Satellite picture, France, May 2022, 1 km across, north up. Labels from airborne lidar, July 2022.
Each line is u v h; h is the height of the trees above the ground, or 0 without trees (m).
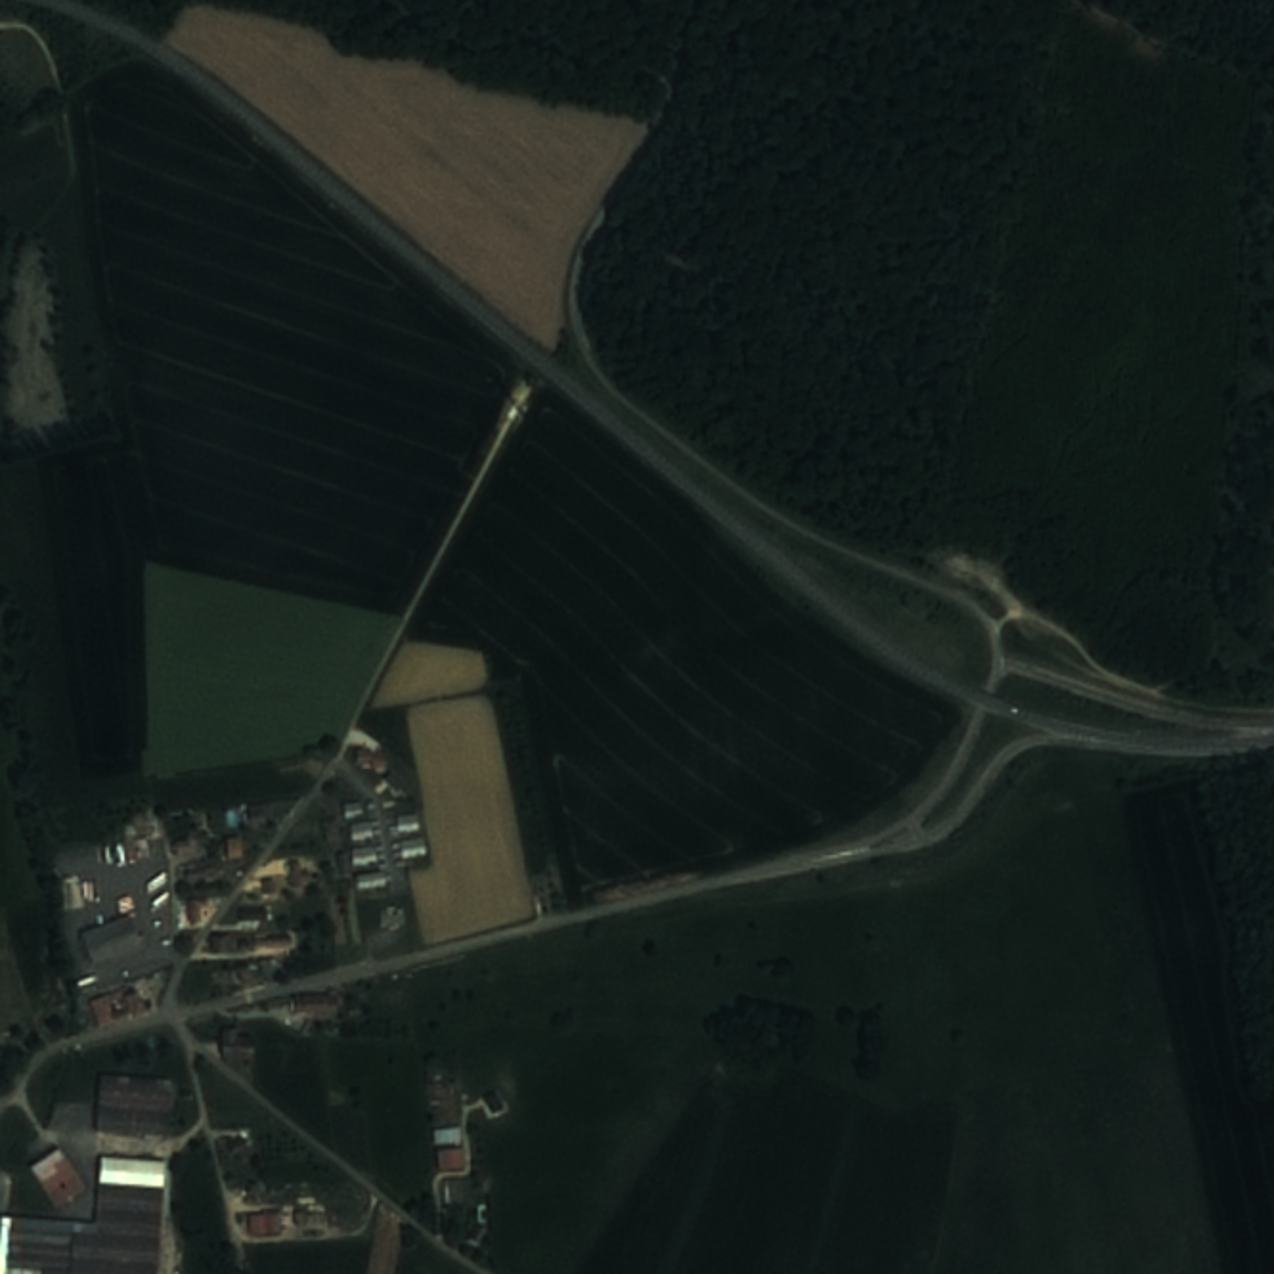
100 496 0
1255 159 23
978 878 0
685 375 28
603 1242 0
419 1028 0
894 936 0
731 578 0
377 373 0
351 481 0
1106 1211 0
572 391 0
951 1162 0
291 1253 0
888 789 0
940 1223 0
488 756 0
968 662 0
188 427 0
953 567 0
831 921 0
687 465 0
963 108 29
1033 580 11
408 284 0
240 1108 0
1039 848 0
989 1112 0
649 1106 0
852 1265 0
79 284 0
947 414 30
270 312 0
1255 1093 18
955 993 0
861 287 24
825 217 27
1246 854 12
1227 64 12
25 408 0
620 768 0
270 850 0
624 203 21
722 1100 0
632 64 28
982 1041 0
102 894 0
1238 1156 0
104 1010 0
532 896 0
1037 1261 0
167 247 0
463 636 0
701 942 0
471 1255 7
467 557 0
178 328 0
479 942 0
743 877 0
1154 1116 0
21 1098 0
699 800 0
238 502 0
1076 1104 0
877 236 21
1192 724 0
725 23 28
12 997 0
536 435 0
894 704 0
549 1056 0
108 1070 0
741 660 0
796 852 0
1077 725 0
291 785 0
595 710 0
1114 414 7
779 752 0
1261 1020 26
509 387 0
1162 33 14
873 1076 15
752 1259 0
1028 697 0
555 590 0
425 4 26
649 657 0
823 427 20
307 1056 0
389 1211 0
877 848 0
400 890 0
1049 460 6
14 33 0
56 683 0
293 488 0
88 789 0
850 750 0
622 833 0
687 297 31
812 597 0
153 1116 0
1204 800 18
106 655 0
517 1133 0
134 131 0
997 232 17
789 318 26
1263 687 13
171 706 0
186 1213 13
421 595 0
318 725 0
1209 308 7
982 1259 0
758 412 23
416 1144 0
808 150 29
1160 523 7
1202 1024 0
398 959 0
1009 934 0
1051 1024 0
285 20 14
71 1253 0
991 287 19
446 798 0
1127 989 0
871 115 26
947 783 0
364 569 0
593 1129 0
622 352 21
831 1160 0
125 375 0
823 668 0
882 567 0
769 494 7
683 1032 0
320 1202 0
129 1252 0
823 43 21
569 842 0
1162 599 11
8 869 0
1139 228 5
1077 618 8
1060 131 6
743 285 31
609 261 24
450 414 0
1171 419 7
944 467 25
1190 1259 0
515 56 29
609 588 0
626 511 0
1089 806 0
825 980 0
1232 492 26
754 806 0
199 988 0
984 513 11
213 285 0
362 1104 8
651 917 0
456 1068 0
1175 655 15
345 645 0
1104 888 0
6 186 0
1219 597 10
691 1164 0
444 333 0
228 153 0
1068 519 10
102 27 0
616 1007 0
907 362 21
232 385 0
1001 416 6
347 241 0
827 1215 0
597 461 0
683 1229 0
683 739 0
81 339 0
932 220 25
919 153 28
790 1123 0
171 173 0
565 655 0
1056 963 0
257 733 0
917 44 27
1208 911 0
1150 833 0
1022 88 25
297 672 0
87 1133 0
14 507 0
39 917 0
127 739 0
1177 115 7
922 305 22
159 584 0
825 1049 0
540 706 0
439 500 0
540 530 0
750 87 28
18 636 15
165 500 0
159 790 0
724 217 26
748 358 25
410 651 0
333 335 0
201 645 0
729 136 21
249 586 0
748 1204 0
